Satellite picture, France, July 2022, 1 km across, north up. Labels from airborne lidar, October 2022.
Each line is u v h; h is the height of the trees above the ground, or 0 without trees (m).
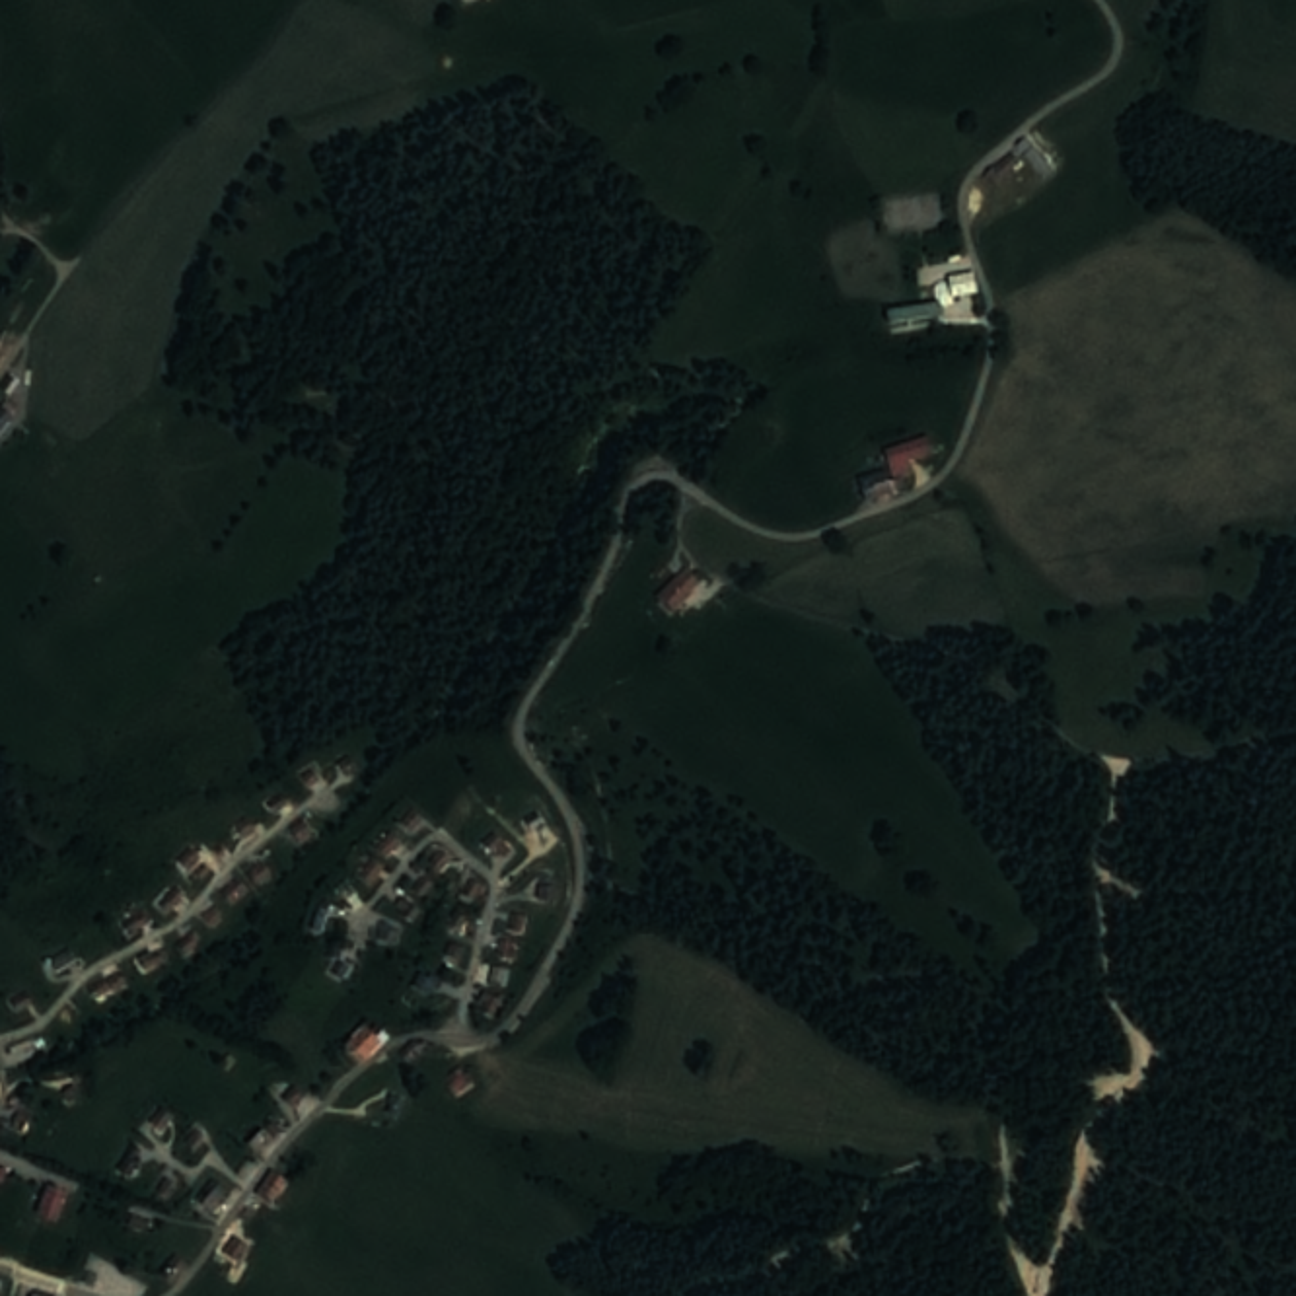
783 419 0
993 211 0
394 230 24
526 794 0
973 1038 24
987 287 0
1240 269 0
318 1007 0
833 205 0
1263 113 0
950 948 0
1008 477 0
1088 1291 16
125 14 0
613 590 0
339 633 30
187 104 0
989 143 0
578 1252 20
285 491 0
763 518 0
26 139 0
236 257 0
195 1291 0
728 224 0
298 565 0
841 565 0
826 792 0
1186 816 14
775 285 0
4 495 0
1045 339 0
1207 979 8
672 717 0
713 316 0
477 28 0
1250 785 9
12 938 0
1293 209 13
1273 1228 23
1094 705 0
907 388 0
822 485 0
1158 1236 12
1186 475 0
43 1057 14
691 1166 16
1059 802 27
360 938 0
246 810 0
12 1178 8
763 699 0
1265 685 32
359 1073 0
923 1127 0
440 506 28
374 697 10
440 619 30
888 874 0
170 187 0
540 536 27
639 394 9
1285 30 0
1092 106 0
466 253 22
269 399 19
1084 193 0
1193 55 14
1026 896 15
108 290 0
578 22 0
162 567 0
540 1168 0
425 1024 15
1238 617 23
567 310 24
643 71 0
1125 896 21
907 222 0
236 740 0
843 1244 0
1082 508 0
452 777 0
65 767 0
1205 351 0
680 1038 0
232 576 0
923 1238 20
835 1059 0
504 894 0
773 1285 23
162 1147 0
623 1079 0
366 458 18
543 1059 0
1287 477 0
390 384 23
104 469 0
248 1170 0
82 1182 13
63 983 0
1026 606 0
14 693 0
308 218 22
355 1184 0
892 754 0
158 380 0
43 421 0
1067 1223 0
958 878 0
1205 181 21
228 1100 0
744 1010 0
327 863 0
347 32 0
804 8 0
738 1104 0
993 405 0
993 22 0
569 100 0
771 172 11
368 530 31
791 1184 9
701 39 0
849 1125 0
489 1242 0
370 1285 0
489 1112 0
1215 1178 17
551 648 24
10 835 22
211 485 0
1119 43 0
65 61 0
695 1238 8
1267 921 24
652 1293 26
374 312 29
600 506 23
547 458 12
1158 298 0
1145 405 0
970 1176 25
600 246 29
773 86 0
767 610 0
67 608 0
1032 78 0
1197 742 0
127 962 0
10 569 0
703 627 0
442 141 30
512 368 12
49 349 0
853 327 0
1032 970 26
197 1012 13
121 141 0
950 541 0
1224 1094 20
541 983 0
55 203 0
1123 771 0
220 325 21
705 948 9
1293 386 0
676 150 0
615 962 0
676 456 16
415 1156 0
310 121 0
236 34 0
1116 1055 27
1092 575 0
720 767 0
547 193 23
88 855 7
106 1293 0
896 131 0
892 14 0
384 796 0
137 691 0
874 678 0
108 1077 0
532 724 0
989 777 28
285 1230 0
